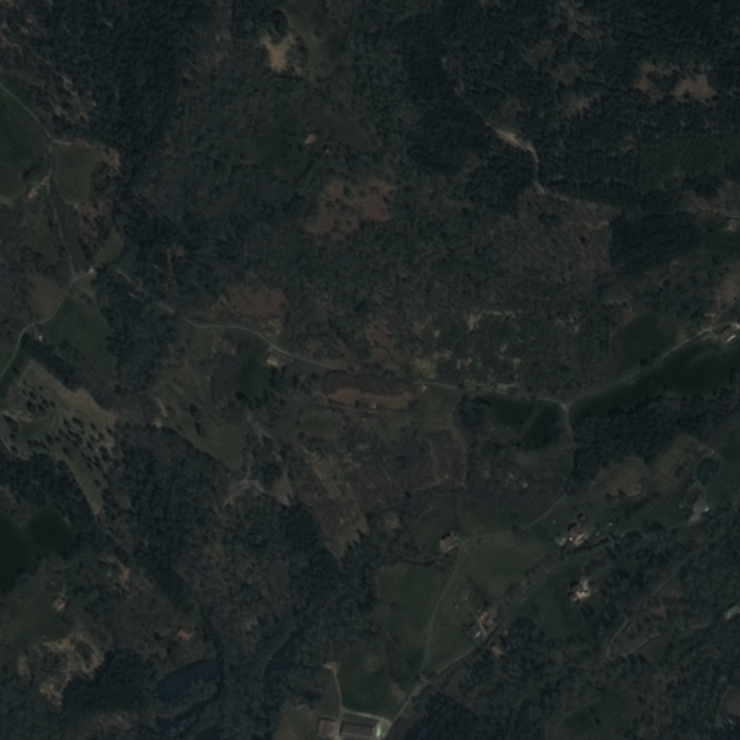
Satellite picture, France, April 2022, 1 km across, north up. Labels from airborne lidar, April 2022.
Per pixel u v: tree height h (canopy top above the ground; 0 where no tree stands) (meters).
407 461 7
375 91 18
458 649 0
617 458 21
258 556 19
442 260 16
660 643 0
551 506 0
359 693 0
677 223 23
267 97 12
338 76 12
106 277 23
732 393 14
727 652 14
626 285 19
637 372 0
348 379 12
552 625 0
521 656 13
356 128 0
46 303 0
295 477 17
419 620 0
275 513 20
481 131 14
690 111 22
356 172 19
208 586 16
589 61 22
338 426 0
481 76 22
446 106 14
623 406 0
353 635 20
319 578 23
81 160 0
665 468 0
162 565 27
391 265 17
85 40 10
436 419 0
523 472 0
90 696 31
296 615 19
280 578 19
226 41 11
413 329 13
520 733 16
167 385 0
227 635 20
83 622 0
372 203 0
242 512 17
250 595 24
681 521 0
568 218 17
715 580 13
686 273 16
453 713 25
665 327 0
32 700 24
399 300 19
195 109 24
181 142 19
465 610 0
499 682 12
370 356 12
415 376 0
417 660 0
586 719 0
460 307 18
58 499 19
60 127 20
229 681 28
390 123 24
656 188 24
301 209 25
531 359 7
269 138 0
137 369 15
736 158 24
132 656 20
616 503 15
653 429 25
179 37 28
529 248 23
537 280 7
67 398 0
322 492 8
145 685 29
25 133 0
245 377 0
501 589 0
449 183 15
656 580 16
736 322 0
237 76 15
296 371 0
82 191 0
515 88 25
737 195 21
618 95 24
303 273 16
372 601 12
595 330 15
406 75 17
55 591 0
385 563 7
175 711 14
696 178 23
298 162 7
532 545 0
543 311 8
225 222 17
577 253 23
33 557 0
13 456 6
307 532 30
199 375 0
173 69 23
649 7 24
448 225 14
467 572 0
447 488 11
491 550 0
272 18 12
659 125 24
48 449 19
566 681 10
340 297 19
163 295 6
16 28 30
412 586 0
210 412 0
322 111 8
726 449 0
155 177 9
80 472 0
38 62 19
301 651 18
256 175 11
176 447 22
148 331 22
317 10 0
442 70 12
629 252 26
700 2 12
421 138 13
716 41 23
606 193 23
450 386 0
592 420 16
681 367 0
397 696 0
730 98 14
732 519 13
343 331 20
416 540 0
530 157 19
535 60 0
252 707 19
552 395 14
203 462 12
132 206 7
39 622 0
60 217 11
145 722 19
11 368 0
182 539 9
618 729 0
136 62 21
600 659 14
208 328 0
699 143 24
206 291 18
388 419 0
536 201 8
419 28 12
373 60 18
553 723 12
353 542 0
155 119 24
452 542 0
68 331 0
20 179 0
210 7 27
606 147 17
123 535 16
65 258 17
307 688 24
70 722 22
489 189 20
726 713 0
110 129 31
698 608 17
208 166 20
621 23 17
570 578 0
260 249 18
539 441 0
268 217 18
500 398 0
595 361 13
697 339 12
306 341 18
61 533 0
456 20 16
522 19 23
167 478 14
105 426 0
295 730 0
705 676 8
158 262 12
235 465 0
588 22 0
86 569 17
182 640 9
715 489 0
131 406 19
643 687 11
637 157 21
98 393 22
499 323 9
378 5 16
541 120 25
